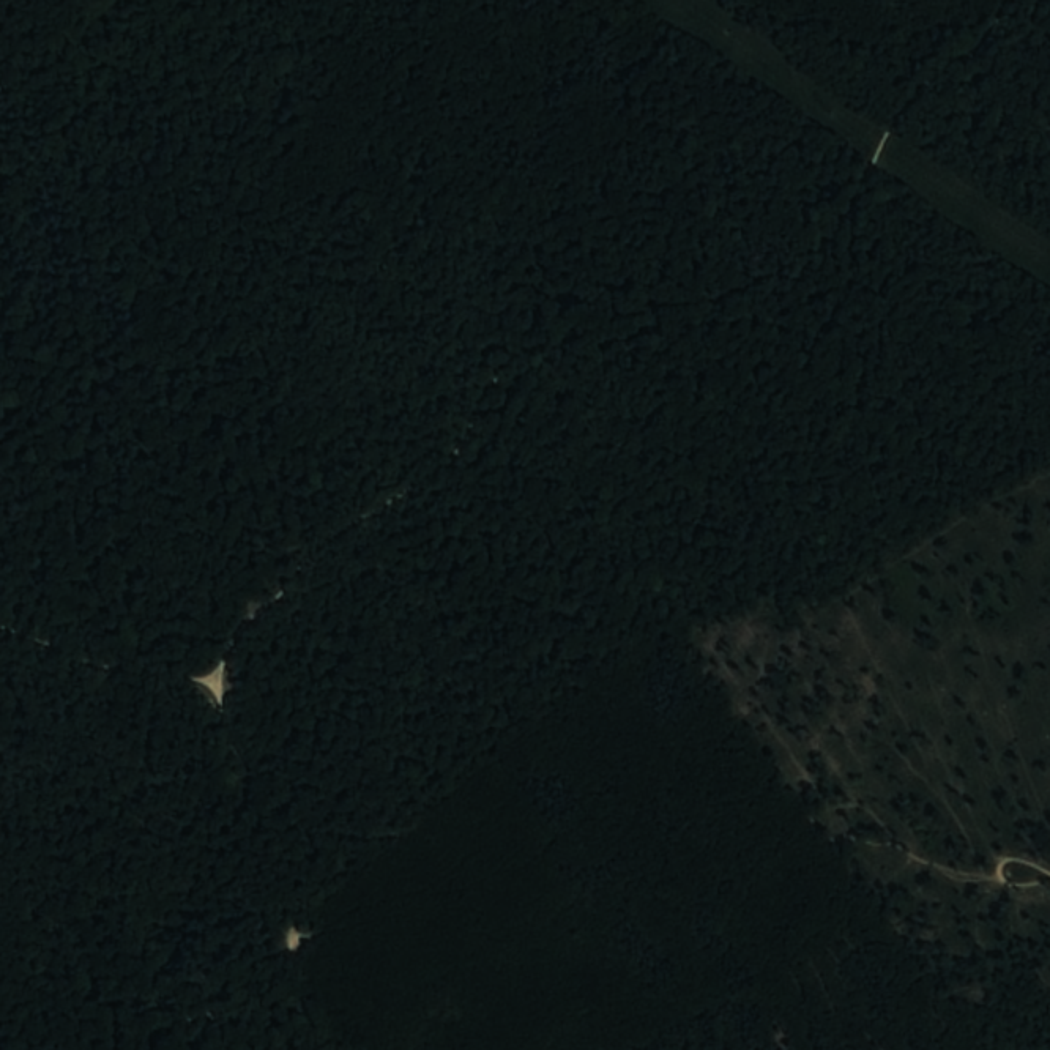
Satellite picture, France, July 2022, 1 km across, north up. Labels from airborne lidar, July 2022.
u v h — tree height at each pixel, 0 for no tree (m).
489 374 21
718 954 15
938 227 21
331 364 19
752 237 19
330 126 17
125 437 24
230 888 24
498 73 23
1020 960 23
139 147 25
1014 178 19
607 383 17
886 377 23
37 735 24
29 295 26
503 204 27
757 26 20
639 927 20
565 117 27
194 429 28
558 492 23
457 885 11
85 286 23
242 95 17
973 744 0
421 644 17
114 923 23
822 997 13
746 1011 18
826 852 20
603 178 21
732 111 20
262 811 24
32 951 26
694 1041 14
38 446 23
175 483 23
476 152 22
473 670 23
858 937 16
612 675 17
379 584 23
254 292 22
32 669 20
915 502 18
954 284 23
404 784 20
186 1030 28
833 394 23
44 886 20
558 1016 9
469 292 18
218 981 22
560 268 28
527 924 10
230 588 21
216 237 29
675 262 30
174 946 24
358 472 24
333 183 16
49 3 23
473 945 11
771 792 19
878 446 23
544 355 25
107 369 30
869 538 21
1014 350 22
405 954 13
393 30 20
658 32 10
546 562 19
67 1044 26
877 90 25
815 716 24
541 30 22
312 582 16
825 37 24
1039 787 0
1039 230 17
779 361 26
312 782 21
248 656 22
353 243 25
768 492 27
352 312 14
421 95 27
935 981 10
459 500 20
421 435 21
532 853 11
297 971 18
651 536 17
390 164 27
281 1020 28
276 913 21
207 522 29
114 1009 21
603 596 22
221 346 30
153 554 18
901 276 21
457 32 23
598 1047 13
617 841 19
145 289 30
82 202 23
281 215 14
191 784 27
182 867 25
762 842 18
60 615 22
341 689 22
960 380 21
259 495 20
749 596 27
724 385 26
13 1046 29
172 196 28
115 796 25
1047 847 26
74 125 17
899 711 0
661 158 26
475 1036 15
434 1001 10
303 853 22
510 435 23
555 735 15
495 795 12
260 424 23
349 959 14
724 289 23
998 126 24
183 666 23
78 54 27
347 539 20
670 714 22
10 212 14
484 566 25
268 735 23
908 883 0
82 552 19
